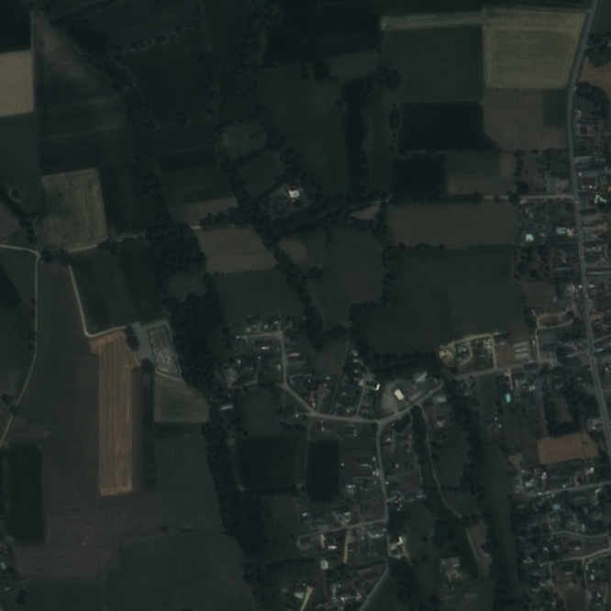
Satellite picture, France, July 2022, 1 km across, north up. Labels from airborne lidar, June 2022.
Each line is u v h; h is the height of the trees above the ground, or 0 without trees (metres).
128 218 0
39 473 0
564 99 0
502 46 0
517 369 0
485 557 0
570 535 0
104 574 0
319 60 0
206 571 0
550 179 0
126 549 0
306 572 0
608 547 0
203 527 0
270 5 19
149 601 0
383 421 0
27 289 0
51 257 20
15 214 0
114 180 0
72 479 0
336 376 0
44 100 0
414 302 0
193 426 0
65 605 0
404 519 22
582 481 10
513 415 0
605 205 13
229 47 0
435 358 16
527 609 10
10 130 0
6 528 0
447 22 0
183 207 0
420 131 0
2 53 0
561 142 0
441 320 0
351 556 0
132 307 0
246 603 0
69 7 0
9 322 0
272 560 0
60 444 0
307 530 0
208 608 0
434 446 11
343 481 0
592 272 0
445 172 0
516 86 0
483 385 0
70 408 0
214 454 15
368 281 0
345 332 20
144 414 0
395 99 0
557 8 0
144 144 0
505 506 0
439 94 0
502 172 0
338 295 0
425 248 11
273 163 0
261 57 0
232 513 26
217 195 0
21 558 0
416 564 14
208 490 0
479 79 0
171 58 0
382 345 0
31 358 0
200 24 12
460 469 0
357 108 0
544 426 0
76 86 0
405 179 0
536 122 0
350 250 0
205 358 18
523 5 0
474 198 11
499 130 0
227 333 15
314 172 0
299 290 16
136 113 14
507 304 0
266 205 18
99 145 0
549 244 7
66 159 0
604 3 0
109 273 0
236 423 16
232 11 0
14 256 0
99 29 0
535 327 7
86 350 0
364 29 0
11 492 0
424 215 0
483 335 0
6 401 15
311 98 0
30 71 0
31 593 0
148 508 0
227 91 0
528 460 0
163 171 0
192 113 0
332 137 0
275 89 0
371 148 0
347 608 8
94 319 0
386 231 16
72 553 0
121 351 0
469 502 0
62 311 0
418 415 15
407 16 0
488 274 0
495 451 0
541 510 12
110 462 0
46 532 0
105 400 0
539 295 0
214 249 0
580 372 0
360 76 0
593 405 14
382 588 0
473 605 0
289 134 0
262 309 0
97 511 0
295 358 0
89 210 0
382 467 0
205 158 0
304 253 0
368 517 0
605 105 18
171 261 14
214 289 8
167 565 0
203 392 10
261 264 0
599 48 7
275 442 0
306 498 0
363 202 20
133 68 0
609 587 0
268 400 0
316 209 19
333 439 0
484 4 0
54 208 0
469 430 16
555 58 0
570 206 11
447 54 0
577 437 0
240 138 0
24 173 0
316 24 0
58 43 0
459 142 0
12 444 0
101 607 0
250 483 0
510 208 0
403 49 0
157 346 0
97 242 0
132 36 0
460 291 0
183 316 15
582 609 0
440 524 16
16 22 0
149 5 0
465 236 0
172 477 0
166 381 0
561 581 0
